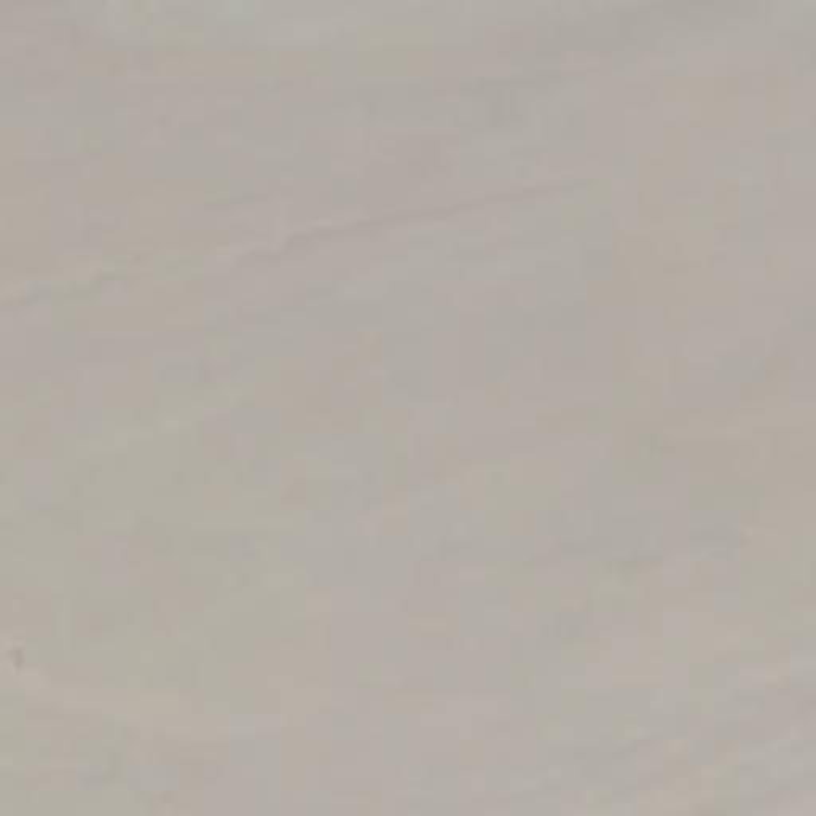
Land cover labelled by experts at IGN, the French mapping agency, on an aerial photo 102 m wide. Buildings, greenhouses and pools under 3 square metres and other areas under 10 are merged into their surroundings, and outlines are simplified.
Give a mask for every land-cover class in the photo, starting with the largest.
<instances>
[{"label":"bare soil","instance_id":"1","mask_svg":"<svg viewBox=\"0 0 816 816\"><path fill-rule=\"evenodd\" d=\"M0 816H816V0H0Z\"/></svg>","mask_w":816,"mask_h":816}]
</instances>
